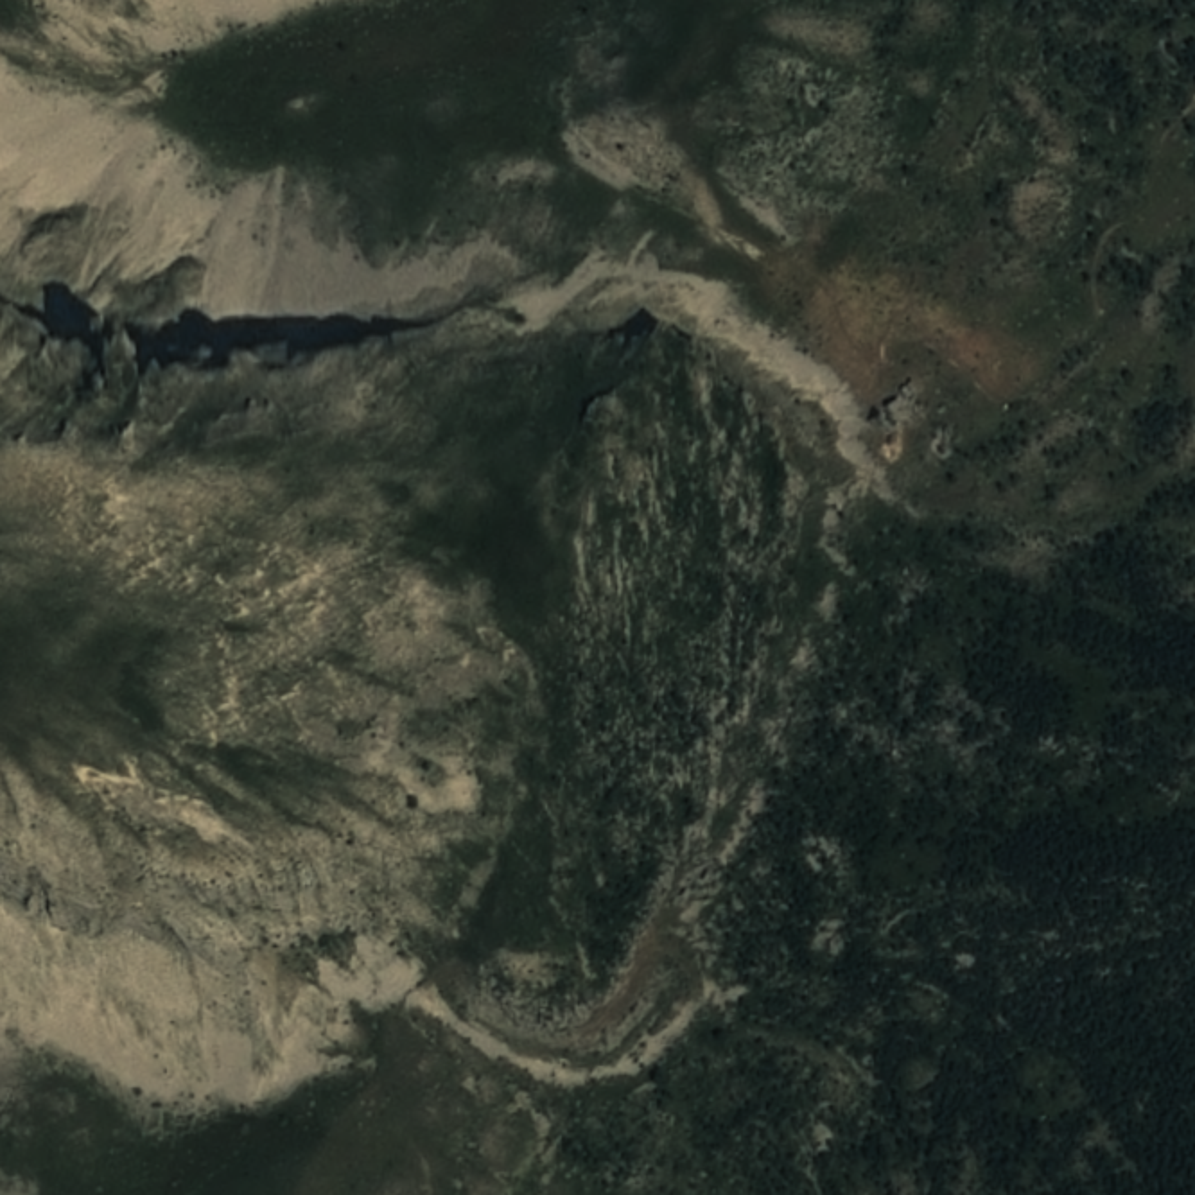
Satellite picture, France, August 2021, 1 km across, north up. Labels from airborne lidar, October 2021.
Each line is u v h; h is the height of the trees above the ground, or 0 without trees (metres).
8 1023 0
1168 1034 10
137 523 0
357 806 0
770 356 0
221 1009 0
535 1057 0
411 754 0
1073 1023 11
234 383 0
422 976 0
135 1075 0
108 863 0
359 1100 0
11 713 0
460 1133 0
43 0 0
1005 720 10
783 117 0
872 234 0
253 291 0
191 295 0
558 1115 0
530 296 0
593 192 0
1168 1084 11
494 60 0
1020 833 8
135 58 0
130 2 0
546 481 0
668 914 0
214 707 0
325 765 0
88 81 0
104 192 0
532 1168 0
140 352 0
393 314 0
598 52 0
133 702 0
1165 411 7
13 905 0
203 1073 0
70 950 0
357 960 0
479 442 0
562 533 0
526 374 0
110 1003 0
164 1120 0
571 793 0
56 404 0
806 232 0
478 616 0
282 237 0
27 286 0
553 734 0
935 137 0
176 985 0
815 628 0
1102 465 0
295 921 0
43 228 0
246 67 0
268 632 0
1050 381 0
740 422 0
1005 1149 9
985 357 0
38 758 0
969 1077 6
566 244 0
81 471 0
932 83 0
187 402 0
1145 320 0
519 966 0
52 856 0
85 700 0
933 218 0
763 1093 8
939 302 0
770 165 0
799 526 0
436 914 0
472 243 0
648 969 0
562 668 0
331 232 0
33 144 0
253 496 0
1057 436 0
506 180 0
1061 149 0
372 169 0
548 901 0
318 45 0
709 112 0
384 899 0
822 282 0
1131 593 6
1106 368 0
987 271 0
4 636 0
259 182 0
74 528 0
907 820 7
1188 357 0
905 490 0
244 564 0
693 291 0
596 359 0
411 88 0
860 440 0
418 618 0
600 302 0
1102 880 6
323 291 0
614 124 0
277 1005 0
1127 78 11
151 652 0
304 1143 0
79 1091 0
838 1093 0
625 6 0
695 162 0
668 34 0
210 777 0
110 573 0
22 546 0
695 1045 0
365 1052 0
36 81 0
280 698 0
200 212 0
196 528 0
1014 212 0
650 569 0
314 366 0
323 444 0
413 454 0
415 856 0
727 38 0
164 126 0
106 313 0
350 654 0
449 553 0
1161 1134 10
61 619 0
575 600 0
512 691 0
